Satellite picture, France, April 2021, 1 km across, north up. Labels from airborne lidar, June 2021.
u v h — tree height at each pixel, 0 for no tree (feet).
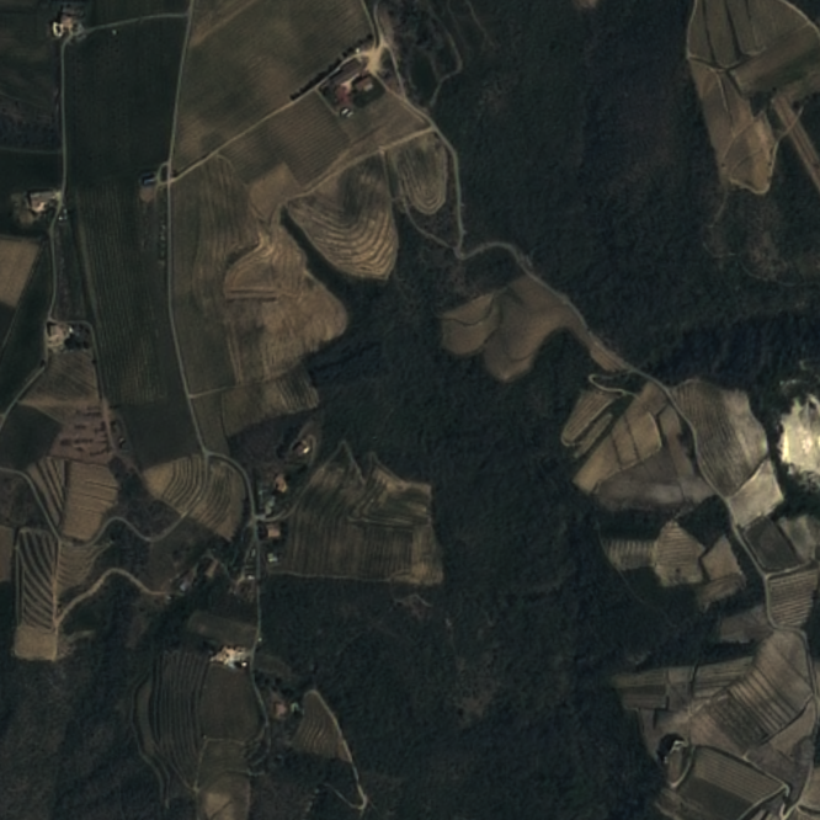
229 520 0
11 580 0
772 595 0
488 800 37
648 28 45
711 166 34
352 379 39
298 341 0
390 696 37
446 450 27
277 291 0
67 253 0
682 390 0
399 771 29
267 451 27
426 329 51
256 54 0
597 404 0
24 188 0
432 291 36
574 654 91
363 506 0
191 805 24
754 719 0
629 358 26
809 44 0
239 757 0
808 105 34
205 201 0
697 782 0
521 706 66
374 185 0
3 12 0
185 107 0
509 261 26
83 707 22
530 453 83
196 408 0
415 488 0
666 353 72
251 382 0
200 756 0
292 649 42
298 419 26
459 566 49
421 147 0
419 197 0
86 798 19
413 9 47
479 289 36
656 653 85
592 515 74
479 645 21
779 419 26
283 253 0
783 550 0
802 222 32
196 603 24
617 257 71
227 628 0
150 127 0
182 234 0
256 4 0
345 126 0
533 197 33
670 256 32
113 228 0
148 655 52
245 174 0
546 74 26
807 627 44
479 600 56
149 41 0
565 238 42
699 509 41
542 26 22
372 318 69
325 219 0
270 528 0
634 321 51
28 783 19
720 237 20
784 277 32
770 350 70
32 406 0
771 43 0
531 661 51
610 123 35
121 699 44
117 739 38
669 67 32
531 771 53
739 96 0
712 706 0
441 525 58
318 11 0
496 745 48
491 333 0
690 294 71
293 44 0
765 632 0
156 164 0
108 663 41
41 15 0
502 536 27
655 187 46
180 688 0
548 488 89
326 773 25
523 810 43
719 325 53
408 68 31
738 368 54
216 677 0
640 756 26
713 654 38
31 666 18
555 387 29
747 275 26
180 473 0
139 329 0
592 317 24
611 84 27
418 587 29
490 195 24
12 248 0
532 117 19
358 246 0
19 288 0
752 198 25
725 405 0
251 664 0
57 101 0
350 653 42
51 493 0
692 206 20
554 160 47
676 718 0
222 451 0
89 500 0
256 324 0
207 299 0
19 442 0
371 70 0
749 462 0
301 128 0
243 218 0
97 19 0
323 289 0
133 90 0
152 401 0
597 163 35
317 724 0
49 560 0
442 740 39
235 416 0
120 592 31
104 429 0
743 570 39
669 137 24
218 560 24
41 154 0
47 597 0
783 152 34
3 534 0
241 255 0
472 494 49
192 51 0
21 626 0
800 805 0
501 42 26
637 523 36
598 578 60
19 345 0
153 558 0
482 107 27
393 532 0
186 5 0
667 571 0
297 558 0
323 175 0
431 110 30
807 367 40
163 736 0
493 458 55
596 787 81
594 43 91
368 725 32
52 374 0
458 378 68
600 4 28
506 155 26
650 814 44
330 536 0
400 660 32
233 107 0
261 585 34
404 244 30
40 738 20
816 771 0
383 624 41
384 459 36
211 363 0
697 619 55
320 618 44
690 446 44
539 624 53
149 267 0
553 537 49
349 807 25
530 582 62
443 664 28
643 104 29
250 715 0
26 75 0
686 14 45
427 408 26
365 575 0
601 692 65
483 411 61
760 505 0
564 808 64
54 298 0
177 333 0
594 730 95
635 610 59
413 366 22
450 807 35
